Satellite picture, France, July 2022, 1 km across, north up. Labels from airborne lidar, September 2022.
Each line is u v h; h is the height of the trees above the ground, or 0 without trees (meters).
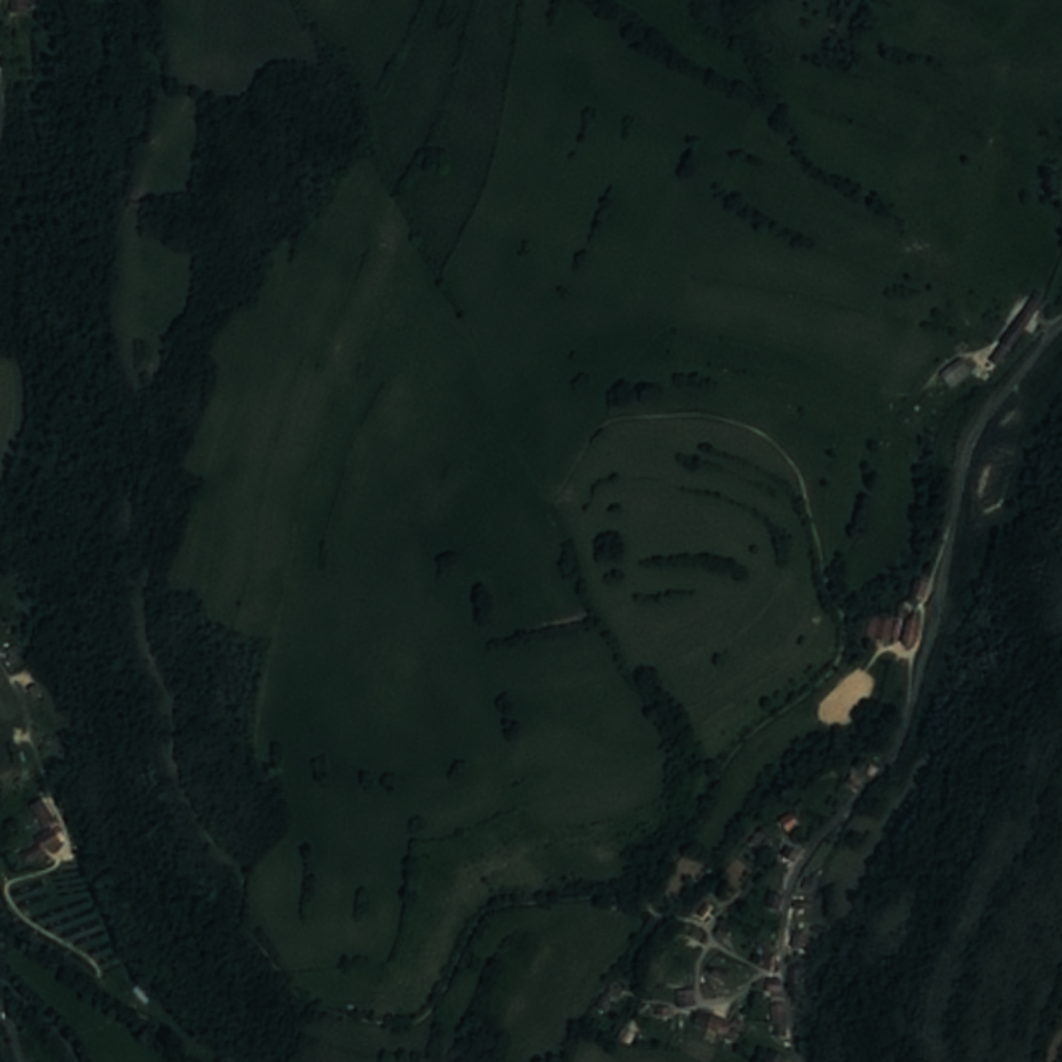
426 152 12
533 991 0
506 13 0
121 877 6
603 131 0
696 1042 0
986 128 0
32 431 8
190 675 11
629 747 0
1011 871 7
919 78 0
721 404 0
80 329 14
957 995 7
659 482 0
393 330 0
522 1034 0
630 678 6
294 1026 17
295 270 0
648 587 0
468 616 0
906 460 0
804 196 0
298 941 0
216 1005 10
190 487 10
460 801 0
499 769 0
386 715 0
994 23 0
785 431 0
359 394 0
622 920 0
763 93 7
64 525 7
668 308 0
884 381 0
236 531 0
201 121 14
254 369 0
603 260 0
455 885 0
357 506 0
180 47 0
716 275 0
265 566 0
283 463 0
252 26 0
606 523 0
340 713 0
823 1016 6
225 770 11
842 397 0
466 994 0
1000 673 16
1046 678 11
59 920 0
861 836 7
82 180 8
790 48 0
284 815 13
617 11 22
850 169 0
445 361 0
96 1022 0
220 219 9
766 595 0
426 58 0
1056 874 6
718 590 0
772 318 0
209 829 9
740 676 0
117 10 12
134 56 7
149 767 12
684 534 0
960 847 7
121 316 0
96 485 7
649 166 0
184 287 0
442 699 0
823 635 0
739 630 0
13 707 0
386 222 0
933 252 0
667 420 0
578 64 0
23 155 15
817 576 11
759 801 7
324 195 11
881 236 0
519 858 0
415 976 0
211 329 12
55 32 22
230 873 8
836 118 0
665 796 6
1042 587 6
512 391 0
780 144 0
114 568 6
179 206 9
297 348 0
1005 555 15
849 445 0
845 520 0
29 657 12
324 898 0
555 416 0
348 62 7
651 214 0
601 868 0
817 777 7
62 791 21
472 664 0
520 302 0
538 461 0
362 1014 10
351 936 0
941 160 0
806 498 10
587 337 0
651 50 16
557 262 0
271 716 0
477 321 0
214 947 7
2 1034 16
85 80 9
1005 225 0
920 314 0
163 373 11
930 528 24
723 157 0
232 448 0
